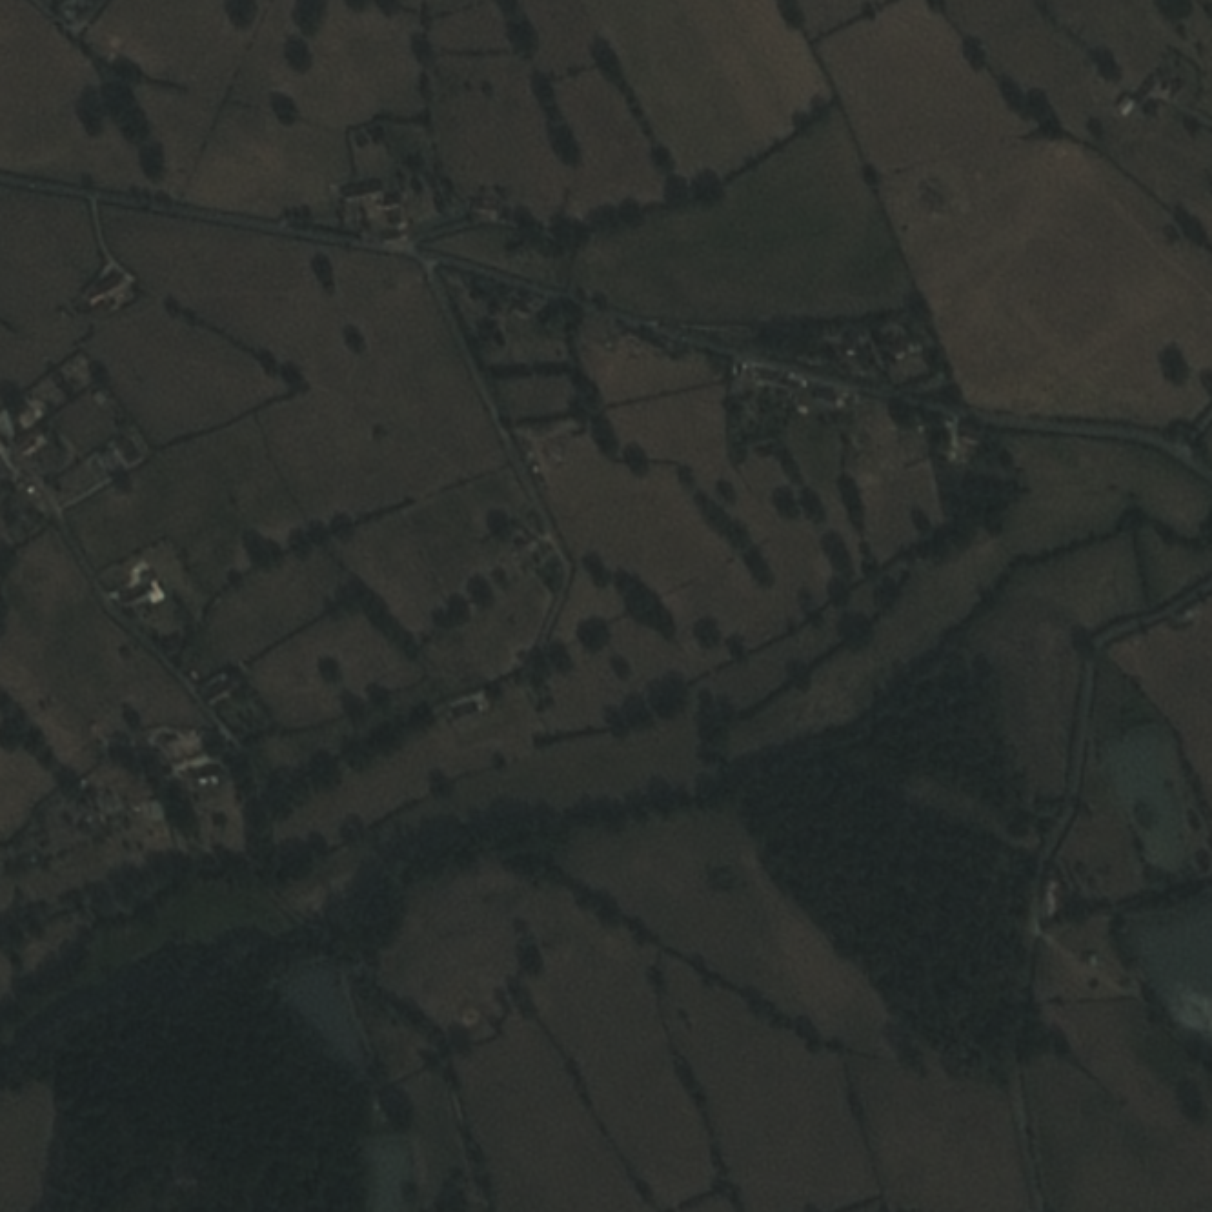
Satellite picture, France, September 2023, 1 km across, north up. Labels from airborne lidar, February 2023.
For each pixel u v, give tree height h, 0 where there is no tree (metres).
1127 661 0
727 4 0
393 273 0
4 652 0
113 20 0
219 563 0
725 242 0
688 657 0
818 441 0
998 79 0
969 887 18
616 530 0
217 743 14
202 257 0
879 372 6
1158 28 0
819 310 0
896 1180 0
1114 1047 0
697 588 0
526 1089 0
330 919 10
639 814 18
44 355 0
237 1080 19
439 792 17
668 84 0
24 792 0
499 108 0
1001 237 0
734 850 0
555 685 0
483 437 0
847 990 0
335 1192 26
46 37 0
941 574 0
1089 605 0
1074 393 0
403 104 0
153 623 0
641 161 0
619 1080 0
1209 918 0
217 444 0
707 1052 0
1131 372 0
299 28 14
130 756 19
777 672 0
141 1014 16
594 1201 0
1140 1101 0
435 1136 0
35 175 0
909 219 0
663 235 0
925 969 19
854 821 15
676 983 0
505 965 0
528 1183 0
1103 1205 0
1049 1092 0
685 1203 0
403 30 0
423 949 0
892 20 0
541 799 0
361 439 0
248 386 0
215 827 9
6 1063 13
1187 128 10
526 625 0
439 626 10
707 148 0
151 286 0
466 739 0
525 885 0
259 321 0
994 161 0
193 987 17
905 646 0
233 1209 22
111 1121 19
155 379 0
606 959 0
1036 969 0
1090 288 0
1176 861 0
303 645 0
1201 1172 0
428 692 0
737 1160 0
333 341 0
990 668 12
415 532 0
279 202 0
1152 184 0
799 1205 0
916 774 0
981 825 0
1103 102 0
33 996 19
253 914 0
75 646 0
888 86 0
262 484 0
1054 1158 0
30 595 0
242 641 0
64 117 0
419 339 0
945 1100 0
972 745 13
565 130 10
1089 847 0
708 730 22
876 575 11
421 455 0
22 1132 0
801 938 0
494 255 0
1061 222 0
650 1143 0
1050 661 0
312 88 0
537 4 0
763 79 0
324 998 0
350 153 0
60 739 0
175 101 0
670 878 0
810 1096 0
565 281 0
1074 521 0
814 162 0
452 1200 17
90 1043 22
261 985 18
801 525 0
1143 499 0
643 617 17
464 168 0
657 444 0
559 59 0
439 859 24
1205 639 0
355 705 18
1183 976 0
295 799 14
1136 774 0
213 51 0
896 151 0
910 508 0
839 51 0
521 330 0
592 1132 0
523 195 0
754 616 0
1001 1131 0
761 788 14
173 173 0
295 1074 21
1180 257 0
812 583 0
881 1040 0
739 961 0
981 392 0
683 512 0
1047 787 0
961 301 0
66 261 0
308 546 13
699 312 0
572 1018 0
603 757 0
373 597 11
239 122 0
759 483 0
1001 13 0
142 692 0
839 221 0
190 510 0
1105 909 9
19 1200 0
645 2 0
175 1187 22
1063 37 26
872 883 19
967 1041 14
